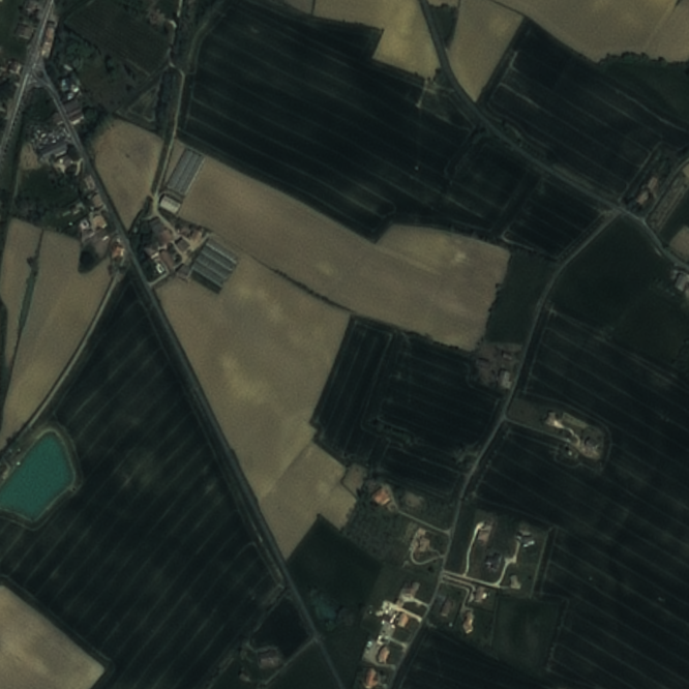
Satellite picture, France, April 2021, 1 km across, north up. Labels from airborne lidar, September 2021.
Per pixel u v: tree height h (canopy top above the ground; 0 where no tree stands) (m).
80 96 7
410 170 0
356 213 0
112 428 0
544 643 0
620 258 0
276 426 0
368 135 0
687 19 0
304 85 0
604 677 0
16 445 13
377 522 12
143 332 0
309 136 0
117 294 0
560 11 0
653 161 0
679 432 0
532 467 0
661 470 0
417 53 0
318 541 0
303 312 0
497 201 0
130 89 9
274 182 0
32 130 0
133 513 0
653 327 0
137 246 8
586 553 0
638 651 0
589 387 0
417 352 0
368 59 0
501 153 0
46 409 0
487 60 0
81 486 0
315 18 0
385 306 0
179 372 0
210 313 0
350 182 0
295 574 0
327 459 0
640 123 0
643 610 0
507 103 0
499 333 0
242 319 0
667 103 0
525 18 0
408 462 0
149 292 0
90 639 0
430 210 0
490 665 0
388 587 0
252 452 0
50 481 0
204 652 0
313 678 0
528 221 0
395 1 0
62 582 0
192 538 0
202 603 0
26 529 0
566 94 0
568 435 10
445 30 0
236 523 0
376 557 12
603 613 0
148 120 0
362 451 0
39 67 0
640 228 0
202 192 0
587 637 0
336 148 0
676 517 0
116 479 0
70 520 0
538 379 0
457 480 0
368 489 7
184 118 0
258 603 0
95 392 0
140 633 0
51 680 0
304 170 0
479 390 0
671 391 0
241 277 0
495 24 0
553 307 0
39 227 20
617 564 0
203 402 0
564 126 0
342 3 0
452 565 0
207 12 16
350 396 0
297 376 0
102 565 0
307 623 0
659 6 0
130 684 0
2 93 15
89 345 0
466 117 0
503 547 0
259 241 0
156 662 0
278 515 0
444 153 0
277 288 0
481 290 0
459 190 0
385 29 0
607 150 0
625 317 0
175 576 0
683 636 0
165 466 0
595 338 0
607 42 0
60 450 0
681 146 0
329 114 0
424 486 0
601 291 0
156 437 0
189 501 0
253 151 0
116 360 0
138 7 11
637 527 0
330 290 0
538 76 0
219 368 0
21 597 0
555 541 0
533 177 0
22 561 0
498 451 0
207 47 0
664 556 0
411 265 0
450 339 0
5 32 0
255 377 0
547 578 0
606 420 0
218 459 0
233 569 0
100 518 0
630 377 0
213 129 0
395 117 0
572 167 0
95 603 0
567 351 0
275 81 0
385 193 0
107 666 0
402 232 0
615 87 0
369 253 0
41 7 0
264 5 0
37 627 0
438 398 0
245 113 0
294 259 0
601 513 0
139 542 0
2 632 0
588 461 0
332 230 0
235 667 0
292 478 0
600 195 0
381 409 0
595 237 0
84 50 16
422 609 0
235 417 0
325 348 0
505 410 0
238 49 0
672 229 0
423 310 0
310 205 0
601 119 0
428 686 0
